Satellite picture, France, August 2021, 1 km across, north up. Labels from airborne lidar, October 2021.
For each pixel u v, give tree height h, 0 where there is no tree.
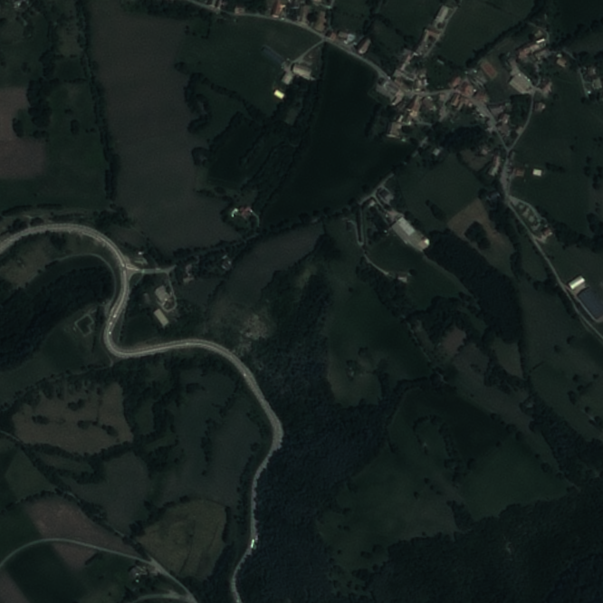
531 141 0
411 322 17
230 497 0
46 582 0
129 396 10
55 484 13
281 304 9
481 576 16
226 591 12
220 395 0
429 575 23
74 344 0
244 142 0
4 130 0
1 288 8
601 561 23
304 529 11
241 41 0
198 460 0
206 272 14
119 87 0
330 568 9
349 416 21
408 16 0
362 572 14
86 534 0
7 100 0
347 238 0
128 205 0
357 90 0
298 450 19
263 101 0
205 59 0
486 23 0
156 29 0
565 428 18
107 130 13
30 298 11
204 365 12
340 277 0
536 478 0
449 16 0
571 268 0
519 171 0
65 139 0
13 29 0
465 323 13
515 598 13
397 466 0
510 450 0
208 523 0
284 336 11
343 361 0
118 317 0
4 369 16
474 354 0
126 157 0
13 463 0
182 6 8
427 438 0
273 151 7
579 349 0
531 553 12
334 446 18
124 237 0
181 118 0
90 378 8
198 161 12
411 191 0
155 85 0
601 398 0
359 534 0
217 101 0
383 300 18
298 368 11
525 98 11
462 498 0
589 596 12
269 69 0
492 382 9
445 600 23
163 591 0
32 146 0
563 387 0
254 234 9
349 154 0
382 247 0
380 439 15
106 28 0
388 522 0
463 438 0
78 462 9
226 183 0
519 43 0
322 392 11
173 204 0
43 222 13
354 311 0
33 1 9
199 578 0
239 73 0
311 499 15
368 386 0
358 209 9
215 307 0
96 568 0
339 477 16
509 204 0
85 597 0
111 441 0
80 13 9
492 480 0
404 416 0
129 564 0
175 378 14
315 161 0
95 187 0
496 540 12
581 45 0
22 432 0
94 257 0
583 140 0
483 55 12
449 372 0
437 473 0
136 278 0
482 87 8
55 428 0
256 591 12
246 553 0
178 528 0
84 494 0
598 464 21
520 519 6
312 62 0
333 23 9
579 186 0
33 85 16
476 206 0
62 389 6
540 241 0
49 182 0
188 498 10
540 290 18
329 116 0
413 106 0
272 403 13
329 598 13
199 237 0
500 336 13
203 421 0
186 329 9
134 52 0
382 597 24
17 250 15
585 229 0
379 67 6
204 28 0
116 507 0
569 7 0
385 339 0
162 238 0
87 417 0
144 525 11
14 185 0
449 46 0
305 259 9
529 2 0
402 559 15
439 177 0
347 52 0
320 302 7
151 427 0
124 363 9
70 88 0
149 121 0
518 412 0
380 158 0
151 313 10
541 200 0
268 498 18
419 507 0
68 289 27
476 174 5
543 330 0
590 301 0
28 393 7
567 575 18
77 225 0
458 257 18
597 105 0
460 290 0
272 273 0
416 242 0
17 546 0
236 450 0
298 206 0
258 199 10
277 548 10
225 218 9
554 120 0
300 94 7
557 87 0
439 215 19
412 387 11
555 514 13
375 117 9
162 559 0
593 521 10
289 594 12
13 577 0
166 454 14
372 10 9
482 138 23
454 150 17
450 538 11
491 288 17
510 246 0
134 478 0
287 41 0
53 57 10
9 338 21
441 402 0
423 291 0
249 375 0
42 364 0
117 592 0
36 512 0
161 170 0
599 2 0
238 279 0
